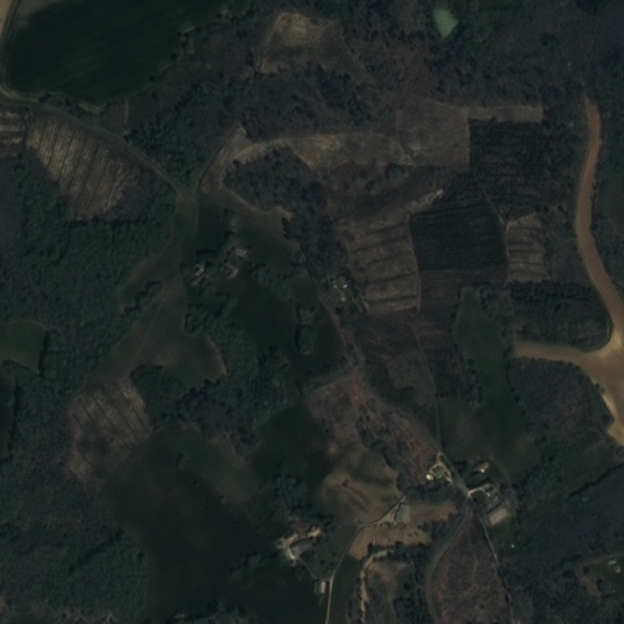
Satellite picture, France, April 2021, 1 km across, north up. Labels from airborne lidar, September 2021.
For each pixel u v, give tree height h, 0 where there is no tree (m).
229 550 0
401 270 0
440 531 16
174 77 6
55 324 21
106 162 0
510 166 10
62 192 24
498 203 7
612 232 15
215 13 0
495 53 12
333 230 25
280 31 0
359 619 12
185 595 0
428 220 7
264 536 0
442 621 0
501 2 0
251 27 19
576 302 13
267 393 21
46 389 18
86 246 21
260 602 0
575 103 24
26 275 17
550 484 20
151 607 0
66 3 0
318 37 0
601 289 0
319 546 11
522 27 17
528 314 9
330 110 14
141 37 0
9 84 0
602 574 0
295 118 9
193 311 13
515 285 8
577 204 0
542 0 18
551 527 15
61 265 21
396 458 18
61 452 10
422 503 11
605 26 17
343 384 0
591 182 0
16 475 20
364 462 0
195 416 21
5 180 16
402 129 0
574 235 23
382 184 17
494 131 10
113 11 0
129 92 0
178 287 0
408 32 8
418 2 19
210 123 16
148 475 0
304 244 22
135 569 20
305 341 16
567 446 7
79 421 0
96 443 0
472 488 8
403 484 15
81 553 8
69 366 12
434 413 0
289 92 7
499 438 0
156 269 0
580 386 9
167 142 21
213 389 19
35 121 0
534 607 16
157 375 9
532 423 9
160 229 25
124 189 0
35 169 15
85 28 0
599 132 0
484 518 18
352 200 8
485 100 13
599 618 21
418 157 0
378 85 10
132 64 0
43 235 18
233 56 17
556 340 7
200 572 0
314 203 24
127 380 0
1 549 18
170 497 0
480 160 7
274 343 0
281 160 20
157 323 0
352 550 0
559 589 21
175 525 0
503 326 12
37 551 16
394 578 0
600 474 0
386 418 18
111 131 11
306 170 11
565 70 22
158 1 0
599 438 12
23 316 16
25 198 18
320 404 0
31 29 0
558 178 26
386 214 0
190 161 20
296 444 0
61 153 0
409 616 12
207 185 0
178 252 0
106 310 24
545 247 20
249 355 16
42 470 9
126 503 0
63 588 20
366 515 0
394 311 0
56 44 0
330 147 0
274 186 8
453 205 6
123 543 19
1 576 19
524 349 0
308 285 0
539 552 10
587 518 12
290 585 0
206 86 10
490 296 13
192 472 0
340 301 15
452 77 22
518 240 0
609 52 16
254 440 19
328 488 0
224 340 18
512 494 16
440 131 0
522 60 15
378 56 8
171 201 24
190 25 0
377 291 0
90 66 0
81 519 8
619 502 14
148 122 9
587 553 9
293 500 18
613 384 0
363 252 0
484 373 0
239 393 14
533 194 8
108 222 6
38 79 0
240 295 0
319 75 14
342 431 0
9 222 16
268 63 0
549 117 6
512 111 0
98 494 0
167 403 11
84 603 19
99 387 0
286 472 20
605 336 10
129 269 21
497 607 6
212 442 14
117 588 16
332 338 0
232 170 14
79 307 17
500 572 16
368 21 12
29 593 19
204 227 0
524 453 0
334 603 0
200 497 0
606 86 23
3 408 0
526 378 10
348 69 0
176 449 0
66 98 0
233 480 0
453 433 0
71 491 10
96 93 0
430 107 0
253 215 0
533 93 24
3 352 0
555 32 17
